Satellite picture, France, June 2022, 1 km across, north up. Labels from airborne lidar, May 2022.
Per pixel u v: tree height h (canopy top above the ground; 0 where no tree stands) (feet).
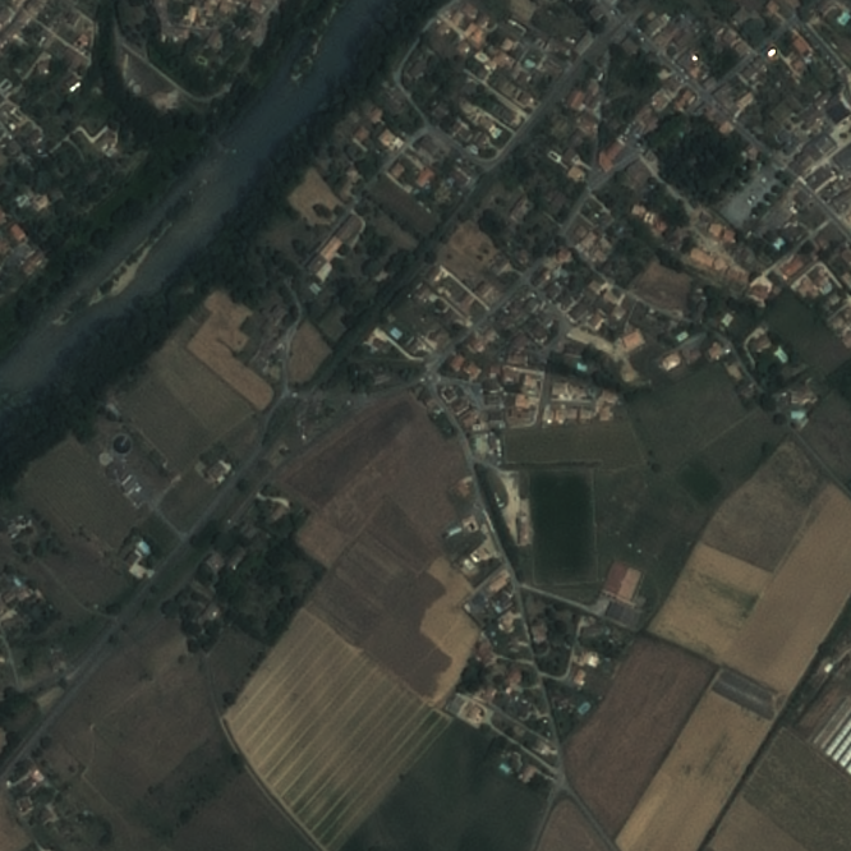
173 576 0
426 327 0
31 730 0
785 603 0
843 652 0
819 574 0
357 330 28
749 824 0
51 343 0
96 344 140
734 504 0
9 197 19
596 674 0
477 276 0
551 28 0
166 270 0
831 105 0
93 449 0
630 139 0
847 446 0
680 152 39
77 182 27
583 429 0
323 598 0
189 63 22
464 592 0
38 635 34
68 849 0
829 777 0
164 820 0
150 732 0
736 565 0
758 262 0
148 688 0
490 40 30
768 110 31
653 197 74
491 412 0
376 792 0
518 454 0
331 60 0
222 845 0
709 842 20
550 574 0
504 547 19
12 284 50
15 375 0
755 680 0
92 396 27
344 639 0
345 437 0
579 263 37
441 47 0
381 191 0
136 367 34
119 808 0
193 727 0
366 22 0
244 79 51
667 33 0
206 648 35
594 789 0
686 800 0
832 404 0
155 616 0
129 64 0
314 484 0
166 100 0
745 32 50
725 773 0
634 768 0
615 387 65
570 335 0
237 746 0
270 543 22
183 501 0
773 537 0
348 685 0
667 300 0
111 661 0
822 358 0
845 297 21
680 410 0
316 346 0
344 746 0
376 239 22
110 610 38
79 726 0
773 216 0
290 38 54
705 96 0
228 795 0
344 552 0
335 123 55
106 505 0
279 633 28
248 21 33
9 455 102
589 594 0
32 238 51
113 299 0
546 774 29
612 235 22
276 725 0
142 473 0
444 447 0
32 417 52
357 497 0
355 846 0
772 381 28
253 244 41
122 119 33
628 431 0
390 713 0
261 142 0
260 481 0
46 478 0
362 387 36
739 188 55
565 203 36
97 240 81
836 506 0
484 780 0
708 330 33
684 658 0
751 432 0
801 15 52
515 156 34
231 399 0
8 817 0
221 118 80
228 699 56
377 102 22
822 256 41
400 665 0
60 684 20
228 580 86
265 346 0
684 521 0
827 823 0
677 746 0
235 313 0
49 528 33
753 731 0
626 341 0
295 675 0
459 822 0
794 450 0
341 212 31
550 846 0
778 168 0
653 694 0
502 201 34
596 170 0
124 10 41
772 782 0
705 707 0
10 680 0
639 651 0
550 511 0
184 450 0
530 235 30
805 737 0
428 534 0
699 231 0
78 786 0
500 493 0
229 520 0
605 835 0
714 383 0
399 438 0
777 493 0
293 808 0
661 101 0
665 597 0
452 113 26
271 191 97
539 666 30
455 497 0
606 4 0
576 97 0
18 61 19
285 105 0
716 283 0
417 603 0
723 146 70
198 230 0
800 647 0
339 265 38
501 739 26
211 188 0
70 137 27
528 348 32
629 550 0
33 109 25
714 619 0
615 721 0
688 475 0
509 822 0
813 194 0
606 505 0
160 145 74
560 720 39
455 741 0
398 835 0
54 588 0
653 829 0
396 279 34
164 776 0
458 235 0
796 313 0
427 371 0
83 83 35
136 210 100
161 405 0
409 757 0
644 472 0
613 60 20
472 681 34
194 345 0
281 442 0
